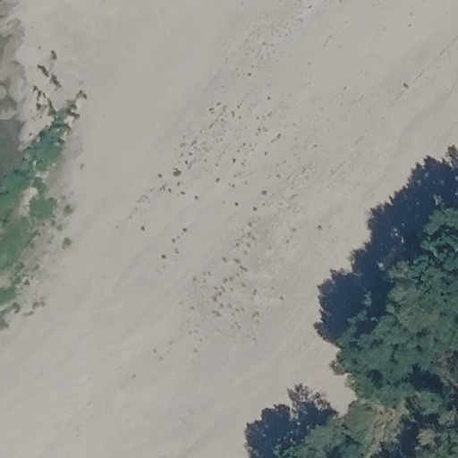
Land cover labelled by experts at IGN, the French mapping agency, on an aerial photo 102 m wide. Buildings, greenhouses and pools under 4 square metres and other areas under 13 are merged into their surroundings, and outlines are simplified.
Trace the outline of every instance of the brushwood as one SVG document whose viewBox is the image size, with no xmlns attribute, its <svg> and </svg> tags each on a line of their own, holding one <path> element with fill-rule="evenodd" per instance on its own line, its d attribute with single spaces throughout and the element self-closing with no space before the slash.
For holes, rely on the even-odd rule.
<svg viewBox="0 0 458 458">
<path fill-rule="evenodd" d="M 18 172 L 7 174 L 0 181 L 0 318 L 4 318 L 7 313 L 20 311 L 16 288 L 21 277 L 27 276 L 23 270 L 23 259 L 20 258 L 21 250 L 34 247 L 34 238 L 39 236 L 36 227 L 43 225 L 48 216 L 54 215 L 55 200 L 47 199 L 47 186 L 43 184 L 43 179 L 48 177 L 47 166 L 54 163 L 55 159 L 59 159 L 63 152 L 63 134 L 70 129 L 70 125 L 64 123 L 64 120 L 68 116 L 79 118 L 77 106 L 72 100 L 68 100 L 68 104 L 61 109 L 55 109 L 52 102 L 48 102 L 48 114 L 52 116 L 52 123 L 39 132 L 34 140 L 30 141 L 29 147 L 21 152 L 25 159 L 18 165 Z M 36 188 L 38 195 L 30 200 L 29 215 L 20 216 L 18 204 L 23 197 L 23 191 L 27 188 Z"/>
</svg>

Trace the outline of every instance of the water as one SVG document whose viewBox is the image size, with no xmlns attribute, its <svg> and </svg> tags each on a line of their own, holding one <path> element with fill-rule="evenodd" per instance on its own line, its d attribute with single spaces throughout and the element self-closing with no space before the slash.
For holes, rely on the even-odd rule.
<svg viewBox="0 0 458 458">
<path fill-rule="evenodd" d="M 23 122 L 16 118 L 0 118 L 0 181 L 7 174 L 18 172 L 18 165 L 25 159 L 21 152 L 18 147 Z"/>
</svg>

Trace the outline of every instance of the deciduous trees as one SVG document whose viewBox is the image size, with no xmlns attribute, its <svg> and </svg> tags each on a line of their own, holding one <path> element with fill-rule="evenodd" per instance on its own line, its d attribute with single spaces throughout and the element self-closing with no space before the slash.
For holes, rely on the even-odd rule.
<svg viewBox="0 0 458 458">
<path fill-rule="evenodd" d="M 333 343 L 338 347 L 338 354 L 336 360 L 331 361 L 331 369 L 335 374 L 349 374 L 347 385 L 351 386 L 356 394 L 354 401 L 349 404 L 347 413 L 340 415 L 336 411 L 326 424 L 311 429 L 310 433 L 302 438 L 302 444 L 297 444 L 297 440 L 292 440 L 292 447 L 277 444 L 274 447 L 274 458 L 372 458 L 372 454 L 383 449 L 394 451 L 397 437 L 403 431 L 401 419 L 406 417 L 413 422 L 413 413 L 433 417 L 431 426 L 419 433 L 419 442 L 415 445 L 415 458 L 458 458 L 458 206 L 435 211 L 429 216 L 428 225 L 422 227 L 417 236 L 411 234 L 410 238 L 401 242 L 399 249 L 388 254 L 388 258 L 383 261 L 385 268 L 381 268 L 385 276 L 381 281 L 367 281 L 365 290 L 369 293 L 365 295 L 360 313 L 347 320 L 347 327 Z"/>
</svg>

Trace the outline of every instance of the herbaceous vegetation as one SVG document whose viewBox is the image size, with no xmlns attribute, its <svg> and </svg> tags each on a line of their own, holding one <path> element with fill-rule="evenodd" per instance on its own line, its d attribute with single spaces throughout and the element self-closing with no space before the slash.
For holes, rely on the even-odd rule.
<svg viewBox="0 0 458 458">
<path fill-rule="evenodd" d="M 383 449 L 372 454 L 372 458 L 415 458 L 415 445 L 419 442 L 419 433 L 431 426 L 433 417 L 413 413 L 413 422 L 406 417 L 401 419 L 403 431 L 397 437 L 394 451 Z"/>
</svg>

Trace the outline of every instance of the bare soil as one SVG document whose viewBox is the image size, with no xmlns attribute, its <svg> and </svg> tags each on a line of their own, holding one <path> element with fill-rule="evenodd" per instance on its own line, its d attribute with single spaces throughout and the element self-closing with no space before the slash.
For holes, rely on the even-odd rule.
<svg viewBox="0 0 458 458">
<path fill-rule="evenodd" d="M 63 152 L 59 159 L 55 159 L 54 163 L 47 166 L 48 177 L 43 179 L 43 184 L 47 186 L 47 199 L 55 200 L 54 215 L 48 216 L 43 225 L 36 227 L 39 236 L 34 238 L 34 247 L 21 250 L 20 258 L 23 259 L 23 270 L 27 276 L 21 277 L 16 288 L 20 311 L 7 313 L 4 318 L 0 318 L 0 458 L 274 458 L 274 447 L 277 444 L 292 447 L 292 440 L 297 440 L 297 444 L 302 444 L 302 438 L 310 433 L 311 429 L 326 424 L 336 411 L 340 415 L 347 413 L 349 404 L 354 401 L 356 394 L 351 386 L 347 385 L 349 374 L 335 374 L 331 369 L 331 361 L 336 360 L 338 354 L 338 347 L 333 343 L 347 327 L 347 320 L 360 313 L 365 295 L 369 293 L 365 290 L 367 281 L 381 281 L 385 276 L 381 268 L 385 268 L 383 261 L 388 258 L 388 254 L 399 249 L 401 242 L 410 238 L 411 234 L 417 236 L 422 227 L 428 225 L 429 216 L 435 211 L 458 206 L 458 0 L 0 0 L 0 118 L 16 118 L 23 122 L 18 147 L 21 152 L 29 147 L 30 141 L 34 140 L 39 132 L 52 123 L 52 116 L 48 114 L 48 102 L 52 102 L 55 109 L 61 109 L 68 104 L 68 100 L 72 100 L 77 106 L 79 118 L 68 116 L 64 120 L 64 123 L 70 125 L 70 129 L 63 134 Z"/>
<path fill-rule="evenodd" d="M 23 197 L 18 204 L 20 216 L 29 215 L 30 200 L 38 195 L 36 188 L 27 188 L 23 191 Z"/>
</svg>

